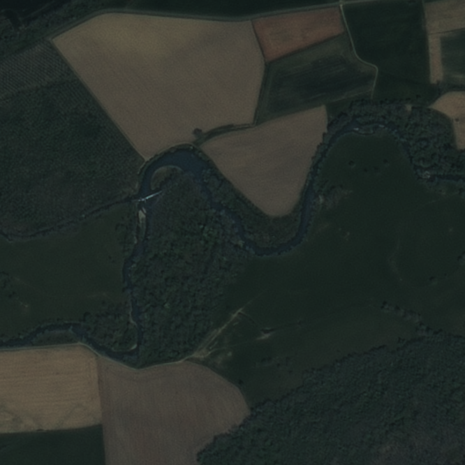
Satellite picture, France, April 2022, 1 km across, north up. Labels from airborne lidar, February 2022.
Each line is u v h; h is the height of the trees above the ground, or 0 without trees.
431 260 0
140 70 0
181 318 14
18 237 18
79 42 0
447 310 0
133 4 0
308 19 0
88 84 0
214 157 0
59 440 0
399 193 0
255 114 0
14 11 0
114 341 16
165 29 0
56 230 20
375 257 0
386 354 19
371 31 0
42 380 0
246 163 0
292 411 15
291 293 0
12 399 0
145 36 0
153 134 0
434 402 21
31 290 0
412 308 0
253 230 9
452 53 0
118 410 0
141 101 0
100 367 0
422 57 0
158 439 0
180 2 0
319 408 9
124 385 0
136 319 0
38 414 0
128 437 0
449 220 0
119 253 0
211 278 20
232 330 0
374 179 0
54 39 0
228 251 23
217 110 0
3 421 0
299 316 0
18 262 0
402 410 18
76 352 0
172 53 0
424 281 0
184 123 0
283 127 0
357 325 0
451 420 24
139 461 0
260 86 0
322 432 18
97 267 0
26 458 0
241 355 0
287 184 0
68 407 0
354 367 18
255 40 0
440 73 0
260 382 0
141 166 0
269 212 0
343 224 0
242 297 0
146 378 0
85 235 0
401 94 0
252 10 0
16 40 16
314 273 0
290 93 0
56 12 17
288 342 0
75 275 0
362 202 0
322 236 0
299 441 17
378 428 15
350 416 15
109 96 0
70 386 0
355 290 0
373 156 0
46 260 0
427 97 0
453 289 0
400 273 0
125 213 0
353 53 0
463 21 0
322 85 0
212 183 22
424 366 15
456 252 0
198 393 0
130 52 0
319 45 0
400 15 0
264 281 0
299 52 0
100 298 0
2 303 0
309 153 0
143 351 18
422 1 0
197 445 0
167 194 24
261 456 19
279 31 0
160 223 24
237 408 0
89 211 15
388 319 0
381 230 0
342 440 15
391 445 17
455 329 0
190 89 0
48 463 0
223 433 0
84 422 0
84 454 0
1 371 0
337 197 19
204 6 0
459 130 0
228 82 0
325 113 0
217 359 0
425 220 0
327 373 16
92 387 0
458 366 19
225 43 0
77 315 0
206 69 0
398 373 17
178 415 0
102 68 0
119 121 0
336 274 0
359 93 0
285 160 0
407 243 0
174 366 0
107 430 0
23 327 0
